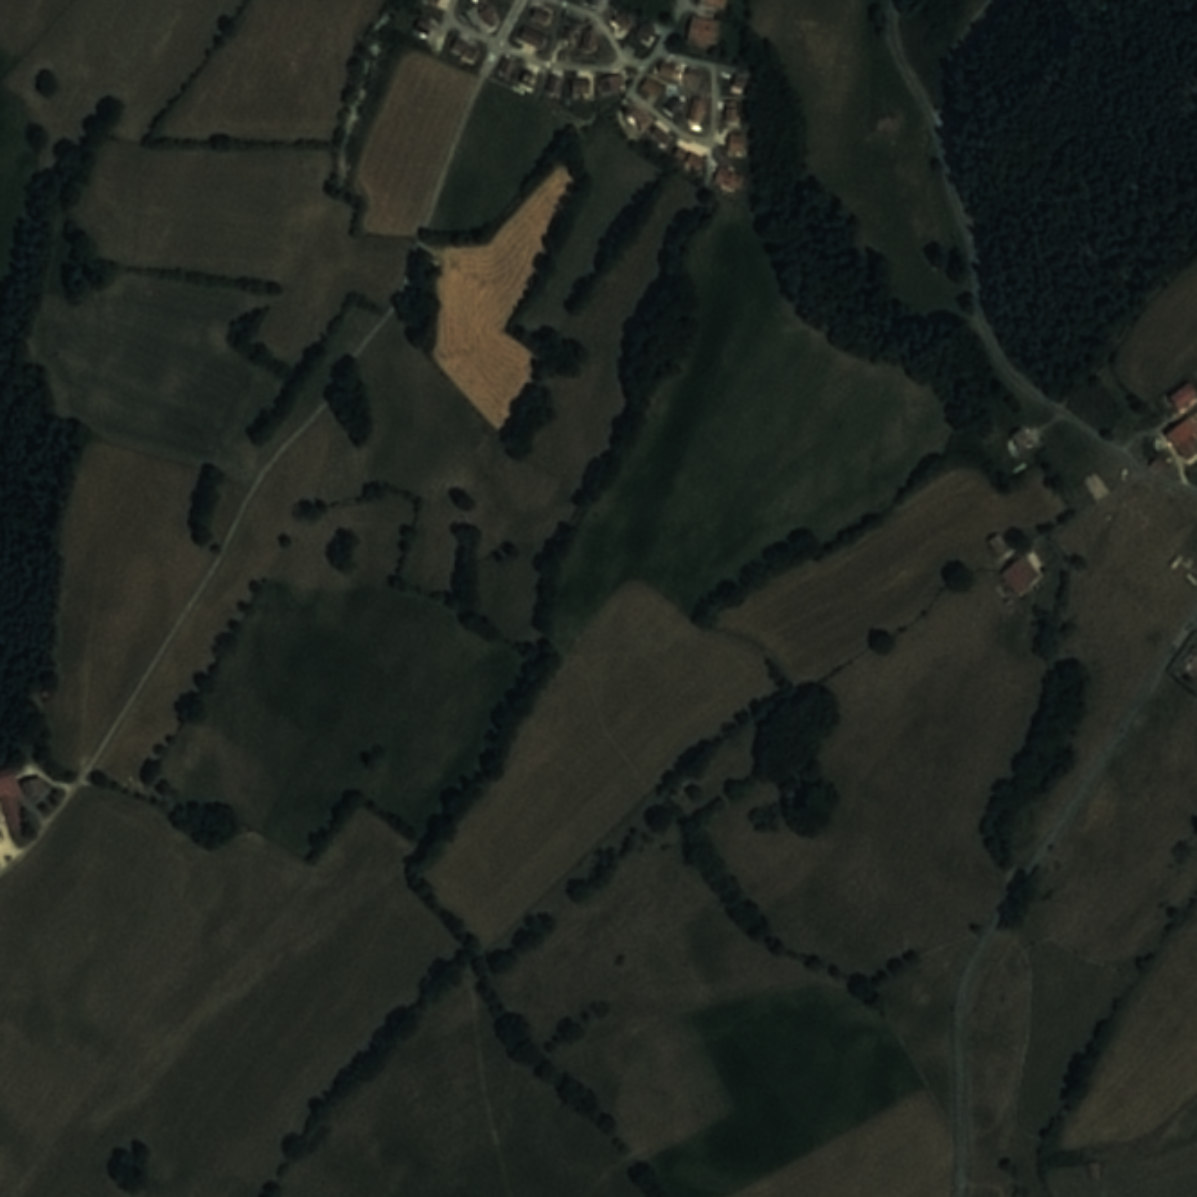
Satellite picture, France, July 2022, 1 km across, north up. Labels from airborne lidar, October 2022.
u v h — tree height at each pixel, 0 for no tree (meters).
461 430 0
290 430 0
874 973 0
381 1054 20
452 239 9
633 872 0
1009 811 12
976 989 0
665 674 0
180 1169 0
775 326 0
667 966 0
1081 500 0
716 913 0
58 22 0
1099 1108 0
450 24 0
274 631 0
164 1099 0
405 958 0
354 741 0
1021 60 16
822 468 0
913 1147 0
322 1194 0
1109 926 0
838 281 23
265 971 0
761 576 18
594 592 0
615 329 0
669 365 16
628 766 0
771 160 11
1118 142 27
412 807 0
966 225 0
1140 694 0
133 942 0
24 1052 0
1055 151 7
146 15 0
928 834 0
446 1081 0
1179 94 26
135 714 0
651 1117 0
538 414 20
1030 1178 0
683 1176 0
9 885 0
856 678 0
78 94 0
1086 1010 0
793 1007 0
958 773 0
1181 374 0
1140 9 16
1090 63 18
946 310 0
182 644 0
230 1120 0
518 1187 0
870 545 0
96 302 0
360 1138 0
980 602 0
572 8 0
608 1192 0
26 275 26
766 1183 0
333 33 0
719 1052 0
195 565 0
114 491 0
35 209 15
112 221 0
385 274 0
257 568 0
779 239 26
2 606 28
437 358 0
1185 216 23
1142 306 18
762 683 0
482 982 7
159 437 0
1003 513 0
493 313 0
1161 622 0
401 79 0
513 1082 0
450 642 0
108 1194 0
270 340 0
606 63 0
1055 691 14
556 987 0
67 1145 0
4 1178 0
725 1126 0
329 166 0
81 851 0
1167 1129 0
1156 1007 0
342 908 0
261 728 0
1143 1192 0
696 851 20
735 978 0
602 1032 0
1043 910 0
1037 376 15
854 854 0
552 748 0
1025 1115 0
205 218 0
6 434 16
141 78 0
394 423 0
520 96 0
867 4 0
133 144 0
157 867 0
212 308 0
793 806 14
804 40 0
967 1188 0
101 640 0
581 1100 20
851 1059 0
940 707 0
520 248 0
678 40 13
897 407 0
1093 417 0
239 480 0
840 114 0
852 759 0
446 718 0
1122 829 0
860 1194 0
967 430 24
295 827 0
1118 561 0
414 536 12
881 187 0
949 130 12
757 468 0
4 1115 0
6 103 0
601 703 0
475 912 0
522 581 0
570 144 15
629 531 0
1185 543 0
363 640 0
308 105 0
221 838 14
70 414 0
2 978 0
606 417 0
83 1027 0
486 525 0
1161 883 0
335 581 0
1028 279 15
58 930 0
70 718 0
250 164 0
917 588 0
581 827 0
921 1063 0
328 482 0
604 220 0
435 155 0
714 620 17
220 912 0
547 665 20
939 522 0
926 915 0
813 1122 0
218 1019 0
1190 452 0
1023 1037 0
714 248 0
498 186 0
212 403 0
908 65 0
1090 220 20
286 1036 0
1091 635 0
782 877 0
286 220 0
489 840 0
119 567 0
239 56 0
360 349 0
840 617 0
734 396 0
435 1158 0
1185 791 0
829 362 0
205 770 0
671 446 0
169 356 0
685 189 0
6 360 18
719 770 0
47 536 14
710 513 0
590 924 0
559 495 0
